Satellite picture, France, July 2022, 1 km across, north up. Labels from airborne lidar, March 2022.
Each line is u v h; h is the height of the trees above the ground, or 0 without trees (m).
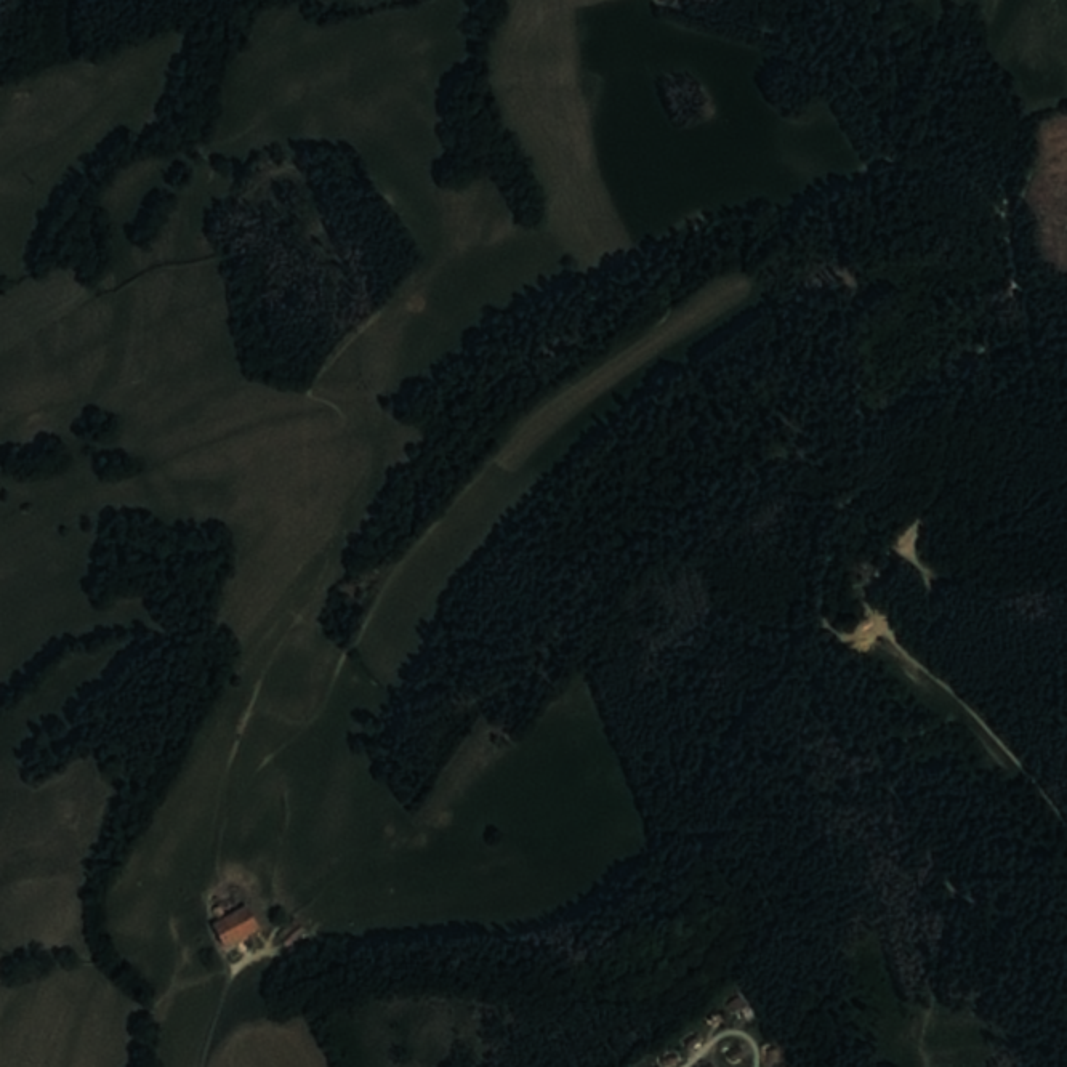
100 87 0
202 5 23
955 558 18
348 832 0
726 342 25
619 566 20
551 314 33
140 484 0
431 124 0
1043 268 13
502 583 24
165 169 0
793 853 24
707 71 0
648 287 33
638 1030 22
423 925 0
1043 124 17
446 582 0
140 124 0
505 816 0
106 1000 0
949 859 28
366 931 0
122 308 0
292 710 0
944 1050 0
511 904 0
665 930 16
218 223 26
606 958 24
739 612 9
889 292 37
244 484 0
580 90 0
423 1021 0
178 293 0
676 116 30
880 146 17
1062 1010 24
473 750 0
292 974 18
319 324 33
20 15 24
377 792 0
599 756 0
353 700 0
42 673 18
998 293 34
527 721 19
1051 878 33
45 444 19
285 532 0
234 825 0
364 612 27
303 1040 0
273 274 27
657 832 21
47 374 0
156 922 0
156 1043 25
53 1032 0
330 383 0
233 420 0
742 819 29
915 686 0
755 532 24
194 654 32
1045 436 19
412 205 0
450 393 13
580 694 0
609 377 0
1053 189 28
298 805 0
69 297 0
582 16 0
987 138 22
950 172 24
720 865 33
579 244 0
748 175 0
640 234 0
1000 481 16
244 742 0
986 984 28
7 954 0
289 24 0
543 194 15
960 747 7
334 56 0
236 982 0
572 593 32
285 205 27
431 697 31
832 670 37
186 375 0
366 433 0
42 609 0
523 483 0
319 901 0
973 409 27
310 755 0
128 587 24
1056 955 32
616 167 0
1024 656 26
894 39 33
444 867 0
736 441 13
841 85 22
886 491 22
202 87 24
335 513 0
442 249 0
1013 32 0
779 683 32
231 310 6
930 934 36
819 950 30
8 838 0
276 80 0
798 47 20
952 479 14
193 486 0
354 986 12
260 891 0
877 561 17
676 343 0
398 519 23
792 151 0
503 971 16
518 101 0
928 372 11
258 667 0
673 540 30
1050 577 24
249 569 0
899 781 30
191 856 0
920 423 28
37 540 0
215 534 23
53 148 0
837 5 41
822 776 35
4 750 0
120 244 0
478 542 0
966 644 26
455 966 13
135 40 11
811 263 31
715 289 0
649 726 26
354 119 0
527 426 0
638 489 12
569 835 0
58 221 22
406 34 0
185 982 0
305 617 0
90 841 0
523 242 0
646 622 21
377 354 0
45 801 0
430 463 16
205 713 19
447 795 0
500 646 23
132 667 27
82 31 24
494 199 0
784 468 17
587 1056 25
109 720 26
